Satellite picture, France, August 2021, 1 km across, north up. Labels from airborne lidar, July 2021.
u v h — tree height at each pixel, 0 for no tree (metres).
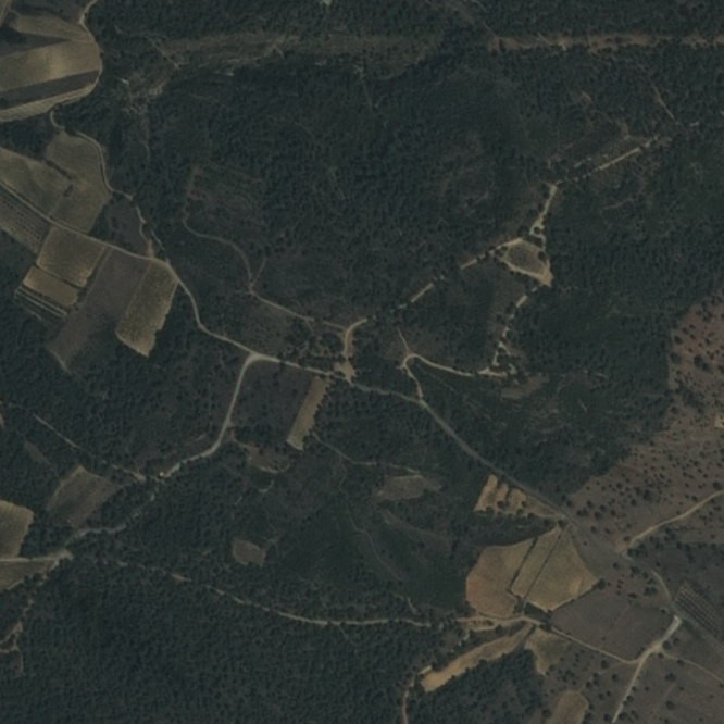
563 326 6
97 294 0
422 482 0
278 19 13
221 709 15
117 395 10
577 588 0
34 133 9
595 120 13
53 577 10
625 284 14
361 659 12
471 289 12
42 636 9
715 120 14
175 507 9
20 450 10
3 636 9
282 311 0
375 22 6
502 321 10
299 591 10
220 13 7
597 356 8
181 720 15
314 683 13
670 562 0
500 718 8
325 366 11
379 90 10
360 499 6
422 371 6
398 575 0
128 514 12
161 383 10
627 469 0
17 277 14
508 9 10
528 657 10
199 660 14
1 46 0
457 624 10
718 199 5
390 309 12
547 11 9
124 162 9
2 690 13
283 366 11
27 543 11
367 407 14
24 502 13
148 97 0
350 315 0
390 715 14
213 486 9
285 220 10
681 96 9
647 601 0
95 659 14
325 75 10
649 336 12
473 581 0
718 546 9
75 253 0
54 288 0
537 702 11
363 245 10
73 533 10
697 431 0
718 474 0
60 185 0
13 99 0
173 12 11
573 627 0
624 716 12
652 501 8
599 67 10
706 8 11
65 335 0
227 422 0
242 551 0
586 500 0
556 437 6
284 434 7
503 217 11
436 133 11
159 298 0
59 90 0
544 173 12
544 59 12
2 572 0
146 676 14
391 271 10
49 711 12
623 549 0
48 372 11
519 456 12
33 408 11
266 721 9
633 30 11
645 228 9
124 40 6
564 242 12
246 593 11
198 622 11
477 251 12
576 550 0
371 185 15
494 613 0
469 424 14
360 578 9
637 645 0
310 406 0
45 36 0
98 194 0
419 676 8
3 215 0
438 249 12
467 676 14
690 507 0
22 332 14
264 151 11
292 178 12
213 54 0
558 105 10
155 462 11
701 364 15
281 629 10
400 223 11
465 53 10
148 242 0
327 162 11
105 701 10
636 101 10
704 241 14
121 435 11
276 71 7
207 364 0
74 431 7
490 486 0
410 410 10
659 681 0
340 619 14
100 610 9
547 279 0
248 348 0
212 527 8
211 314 13
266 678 13
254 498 9
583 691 0
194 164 9
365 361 12
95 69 0
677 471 0
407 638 10
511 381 10
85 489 0
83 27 0
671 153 12
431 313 11
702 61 11
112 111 11
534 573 0
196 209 8
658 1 12
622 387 7
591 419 6
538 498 0
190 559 9
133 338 0
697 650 0
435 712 9
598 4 12
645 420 8
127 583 11
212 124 12
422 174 11
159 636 10
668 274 15
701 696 0
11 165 0
